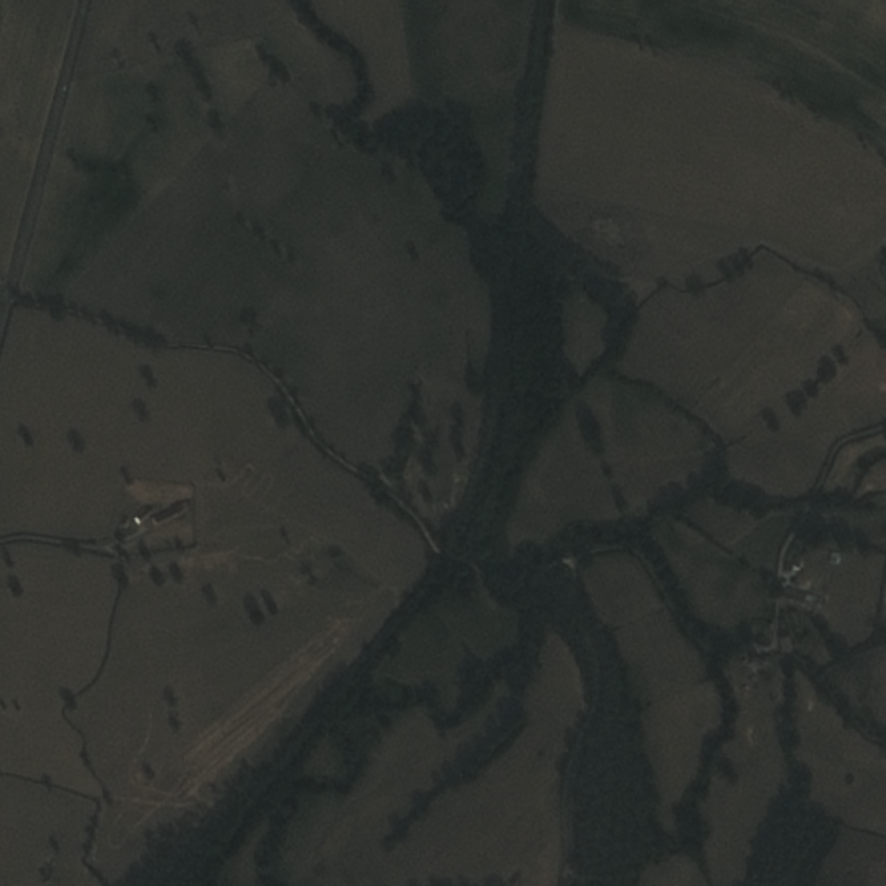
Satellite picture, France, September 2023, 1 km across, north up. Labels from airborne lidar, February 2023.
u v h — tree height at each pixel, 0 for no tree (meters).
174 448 0
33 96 0
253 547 0
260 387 0
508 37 0
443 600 0
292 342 0
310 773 0
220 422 0
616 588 0
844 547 14
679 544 0
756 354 0
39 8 0
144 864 12
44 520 0
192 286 0
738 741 0
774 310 0
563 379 8
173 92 0
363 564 0
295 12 15
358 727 0
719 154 0
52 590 0
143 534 0
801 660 9
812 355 0
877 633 12
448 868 0
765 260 0
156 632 0
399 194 0
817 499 20
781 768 0
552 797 0
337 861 0
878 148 0
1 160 0
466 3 0
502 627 0
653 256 0
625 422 0
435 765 0
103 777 0
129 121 0
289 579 0
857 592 0
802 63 0
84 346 0
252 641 0
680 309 0
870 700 0
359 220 0
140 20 0
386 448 0
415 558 0
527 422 11
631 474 0
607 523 0
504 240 10
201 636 0
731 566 0
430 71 0
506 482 11
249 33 0
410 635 0
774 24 0
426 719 0
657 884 0
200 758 0
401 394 0
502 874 0
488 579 20
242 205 0
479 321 0
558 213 0
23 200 0
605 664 20
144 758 0
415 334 0
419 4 0
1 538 0
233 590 0
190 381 0
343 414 0
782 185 0
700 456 0
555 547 0
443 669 0
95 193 0
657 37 0
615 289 16
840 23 0
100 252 0
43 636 0
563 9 0
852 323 0
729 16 0
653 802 15
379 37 0
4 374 0
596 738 16
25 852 0
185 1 0
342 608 0
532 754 0
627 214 0
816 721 0
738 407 0
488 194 0
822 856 0
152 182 0
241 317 0
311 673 0
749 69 0
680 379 0
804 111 0
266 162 0
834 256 0
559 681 0
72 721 0
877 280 0
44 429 0
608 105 0
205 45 0
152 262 0
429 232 0
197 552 0
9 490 0
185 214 0
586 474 0
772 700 0
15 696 0
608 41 0
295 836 0
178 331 0
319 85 0
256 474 0
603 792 12
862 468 13
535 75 10
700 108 0
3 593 0
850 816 0
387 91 0
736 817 0
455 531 9
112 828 0
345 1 0
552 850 0
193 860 20
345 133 17
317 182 0
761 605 0
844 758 0
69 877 0
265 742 0
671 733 0
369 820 0
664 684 0
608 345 21
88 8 0
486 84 0
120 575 17
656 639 0
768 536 0
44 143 0
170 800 0
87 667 0
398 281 0
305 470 0
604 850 18
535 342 28
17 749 0
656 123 0
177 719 11
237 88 0
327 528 0
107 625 0
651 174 0
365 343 0
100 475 0
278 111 0
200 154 0
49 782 11
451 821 0
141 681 0
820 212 0
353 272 0
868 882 0
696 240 0
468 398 0
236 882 0
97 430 0
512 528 0
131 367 0
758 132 0
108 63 0
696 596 0
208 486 0
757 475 0
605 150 0
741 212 0
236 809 19
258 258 0
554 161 0
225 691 0
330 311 0
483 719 0
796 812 16
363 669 10
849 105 0
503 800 0
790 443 0
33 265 0
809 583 0
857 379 0
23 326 0
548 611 22
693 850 20
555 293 16
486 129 0
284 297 0
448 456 0
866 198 0
